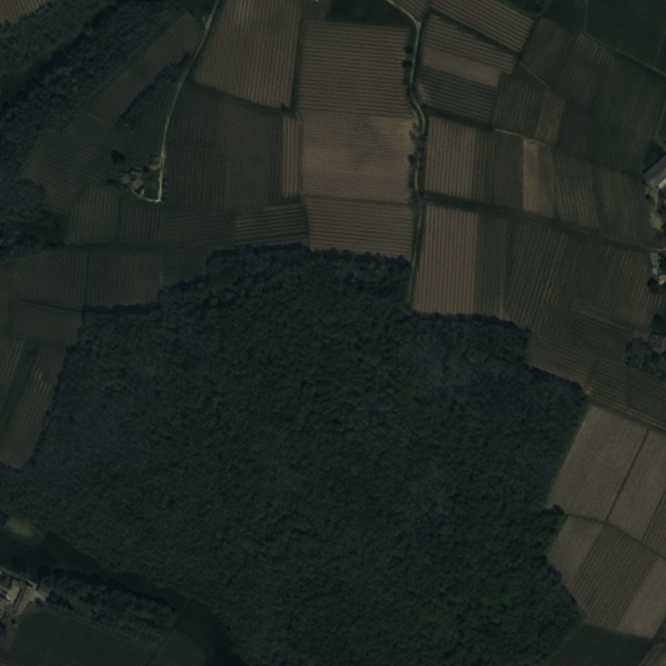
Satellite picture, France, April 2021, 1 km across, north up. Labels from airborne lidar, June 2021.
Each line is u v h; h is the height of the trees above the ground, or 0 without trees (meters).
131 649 0
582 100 0
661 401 0
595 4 0
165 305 13
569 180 0
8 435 0
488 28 0
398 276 23
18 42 18
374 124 0
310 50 0
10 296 0
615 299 0
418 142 20
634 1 0
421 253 0
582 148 0
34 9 0
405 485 19
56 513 20
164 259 0
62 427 13
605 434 0
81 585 22
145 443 22
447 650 19
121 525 21
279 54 0
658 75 0
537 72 0
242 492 25
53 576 19
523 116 0
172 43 0
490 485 22
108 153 0
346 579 18
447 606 22
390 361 21
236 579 22
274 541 24
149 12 19
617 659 0
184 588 20
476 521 18
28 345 0
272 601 21
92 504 19
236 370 20
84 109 11
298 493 18
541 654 22
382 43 0
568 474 0
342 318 21
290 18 0
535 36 0
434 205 0
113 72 20
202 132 0
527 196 0
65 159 0
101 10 18
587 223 0
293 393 15
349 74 0
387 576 21
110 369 19
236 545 24
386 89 0
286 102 0
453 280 0
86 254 0
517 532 20
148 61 0
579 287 0
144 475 20
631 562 0
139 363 20
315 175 0
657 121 0
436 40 0
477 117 0
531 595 16
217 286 17
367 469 23
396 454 18
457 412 23
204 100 0
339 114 0
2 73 25
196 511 17
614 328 0
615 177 0
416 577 22
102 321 16
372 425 16
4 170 20
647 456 0
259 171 0
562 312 0
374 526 16
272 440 20
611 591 0
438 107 0
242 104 0
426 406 18
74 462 19
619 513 0
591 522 0
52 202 0
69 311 0
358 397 18
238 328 23
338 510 23
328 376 20
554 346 0
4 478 19
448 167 0
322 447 23
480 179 0
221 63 0
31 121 24
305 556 23
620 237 0
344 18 0
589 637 0
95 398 19
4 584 7
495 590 22
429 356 14
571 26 0
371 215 0
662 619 0
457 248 0
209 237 0
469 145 0
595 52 0
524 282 0
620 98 0
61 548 0
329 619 19
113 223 0
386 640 19
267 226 0
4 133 16
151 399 22
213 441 21
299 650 27
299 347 20
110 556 21
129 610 23
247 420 21
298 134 0
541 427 16
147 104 9
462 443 19
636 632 0
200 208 0
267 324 22
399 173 0
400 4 0
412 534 18
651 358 15
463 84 0
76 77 24
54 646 0
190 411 18
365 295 26
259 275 13
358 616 17
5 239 22
